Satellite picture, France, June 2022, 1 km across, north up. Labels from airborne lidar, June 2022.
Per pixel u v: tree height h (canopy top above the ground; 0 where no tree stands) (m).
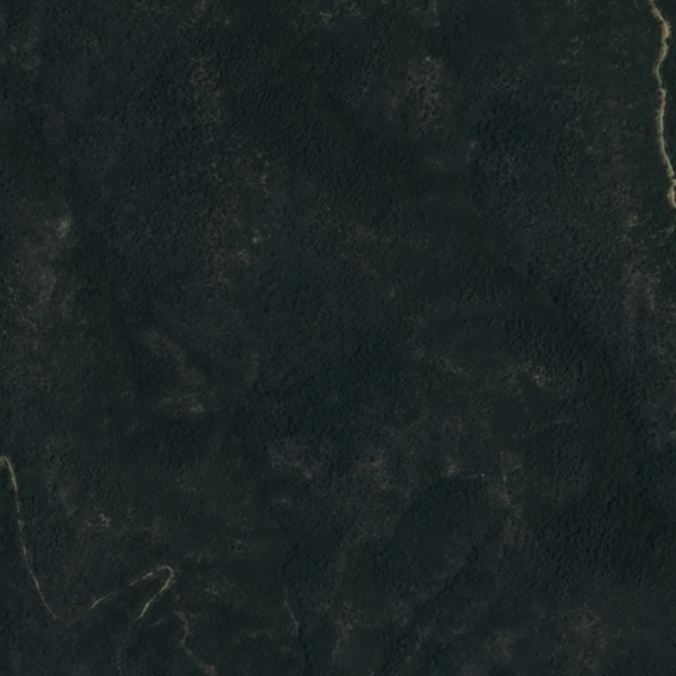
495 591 7
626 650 8
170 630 7
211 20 8
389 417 9
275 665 5
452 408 5
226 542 7
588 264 10
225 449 7
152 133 7
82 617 7
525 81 9
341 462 10
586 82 6
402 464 8
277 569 6
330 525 7
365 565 7
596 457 6
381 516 6
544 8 6
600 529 13
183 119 9
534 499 6
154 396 6
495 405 7
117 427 7
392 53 11
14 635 6
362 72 10
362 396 9
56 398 7
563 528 7
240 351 6
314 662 6
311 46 13
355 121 7
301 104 9
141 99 10
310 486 9
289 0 8
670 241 9
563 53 7
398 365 6
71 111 9
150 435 6
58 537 7
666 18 6
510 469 0
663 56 0
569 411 6
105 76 9
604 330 7
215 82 8
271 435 7
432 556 6
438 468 11
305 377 5
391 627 7
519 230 7
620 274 10
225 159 9
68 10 10
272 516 6
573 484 15
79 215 10
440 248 8
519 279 9
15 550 7
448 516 7
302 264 9
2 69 7
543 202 8
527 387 6
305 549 7
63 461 6
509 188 11
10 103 15
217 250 8
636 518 12
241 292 6
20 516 8
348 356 7
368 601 6
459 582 13
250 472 5
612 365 11
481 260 12
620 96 10
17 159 7
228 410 6
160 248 9
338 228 7
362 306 8
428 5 9
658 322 7
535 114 12
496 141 15
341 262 7
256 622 6
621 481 9
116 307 5
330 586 7
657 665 9
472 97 7
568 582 9
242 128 12
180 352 7
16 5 6
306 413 9
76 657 6
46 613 6
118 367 8
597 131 6
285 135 17
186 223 10
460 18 11
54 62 10
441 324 8
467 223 10
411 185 7
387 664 12
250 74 10
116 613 7
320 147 13
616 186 8
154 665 10
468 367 6
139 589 8
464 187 5
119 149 9
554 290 7
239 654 6
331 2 8
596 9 8
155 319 7
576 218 8
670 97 9
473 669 0
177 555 6
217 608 6
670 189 7
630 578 12
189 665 6
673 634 7
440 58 7
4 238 8
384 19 12
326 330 6
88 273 9
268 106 16
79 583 6
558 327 12
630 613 6
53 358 6
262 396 7
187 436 10
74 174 7
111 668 6
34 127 12
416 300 10
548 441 10
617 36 8
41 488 6
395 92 12
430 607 6
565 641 7
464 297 11
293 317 7
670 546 12
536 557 6
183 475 8
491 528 8
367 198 11
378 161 8
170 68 8
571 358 13
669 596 8
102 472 11
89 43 11
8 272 7
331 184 12
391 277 6
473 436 8
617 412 8
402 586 10
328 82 8
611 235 6
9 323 7
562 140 10
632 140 8
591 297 11
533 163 9
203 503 9
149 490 6
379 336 5
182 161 8
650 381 9
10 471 8
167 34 7
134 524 9
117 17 7
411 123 6
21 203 9
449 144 8
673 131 10
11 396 7
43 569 5
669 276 7
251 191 7
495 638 6
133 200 8
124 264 8
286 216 9
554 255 6
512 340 14
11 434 8
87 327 7
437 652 6
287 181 6
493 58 8
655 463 10
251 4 7
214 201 7
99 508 8
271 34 9
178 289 7
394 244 8
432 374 6
